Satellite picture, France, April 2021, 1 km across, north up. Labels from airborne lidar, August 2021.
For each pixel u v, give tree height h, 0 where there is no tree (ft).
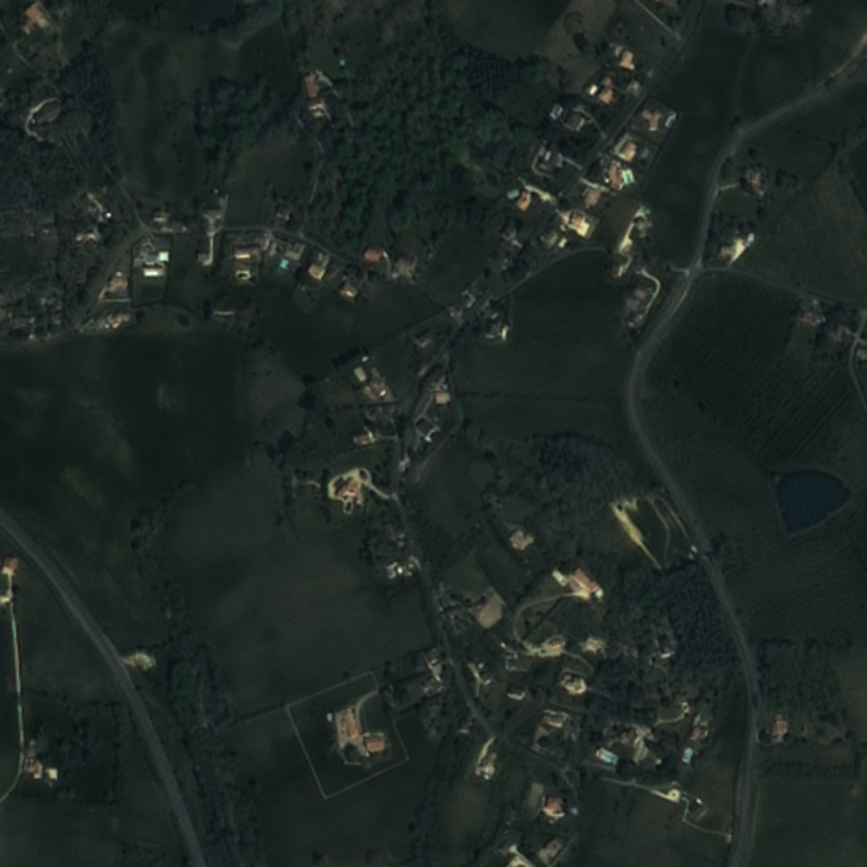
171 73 0
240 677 0
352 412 29
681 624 83
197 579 0
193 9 0
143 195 0
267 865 37
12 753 0
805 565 22
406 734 0
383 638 0
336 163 68
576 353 0
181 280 0
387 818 0
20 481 0
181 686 88
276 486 0
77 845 0
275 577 0
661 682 22
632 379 0
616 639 45
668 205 0
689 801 0
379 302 0
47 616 0
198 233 31
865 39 0
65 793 23
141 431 0
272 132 68
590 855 0
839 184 0
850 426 33
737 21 55
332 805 0
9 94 23
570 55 0
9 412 0
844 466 43
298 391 0
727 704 42
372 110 51
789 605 20
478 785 0
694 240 0
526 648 36
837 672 75
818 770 22
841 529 19
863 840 0
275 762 0
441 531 33
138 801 0
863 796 0
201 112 43
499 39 0
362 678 0
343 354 0
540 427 0
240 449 0
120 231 33
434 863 48
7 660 0
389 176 83
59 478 0
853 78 36
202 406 0
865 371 23
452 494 0
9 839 0
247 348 24
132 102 0
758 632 21
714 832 0
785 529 0
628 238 0
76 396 0
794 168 0
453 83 52
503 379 0
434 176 52
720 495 22
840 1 0
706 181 0
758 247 0
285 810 0
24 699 41
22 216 40
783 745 27
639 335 20
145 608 0
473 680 31
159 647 23
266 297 0
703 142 0
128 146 0
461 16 0
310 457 24
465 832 0
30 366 0
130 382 0
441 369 26
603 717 38
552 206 0
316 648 0
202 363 0
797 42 0
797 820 0
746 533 23
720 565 70
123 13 42
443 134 54
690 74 0
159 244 0
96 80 51
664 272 23
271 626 0
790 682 55
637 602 38
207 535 0
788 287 0
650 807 0
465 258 0
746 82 0
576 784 56
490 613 0
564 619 33
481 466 0
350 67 39
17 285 38
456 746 30
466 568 0
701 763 54
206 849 34
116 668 0
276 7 63
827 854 0
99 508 0
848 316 54
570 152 34
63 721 0
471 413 0
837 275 0
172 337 0
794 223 0
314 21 27
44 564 0
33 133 22
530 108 0
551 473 31
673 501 19
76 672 0
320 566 0
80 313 29
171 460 0
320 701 0
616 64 21
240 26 50
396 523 20
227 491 0
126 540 0
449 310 37
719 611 82
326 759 0
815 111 0
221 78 0
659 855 0
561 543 30
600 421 0
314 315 0
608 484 74
